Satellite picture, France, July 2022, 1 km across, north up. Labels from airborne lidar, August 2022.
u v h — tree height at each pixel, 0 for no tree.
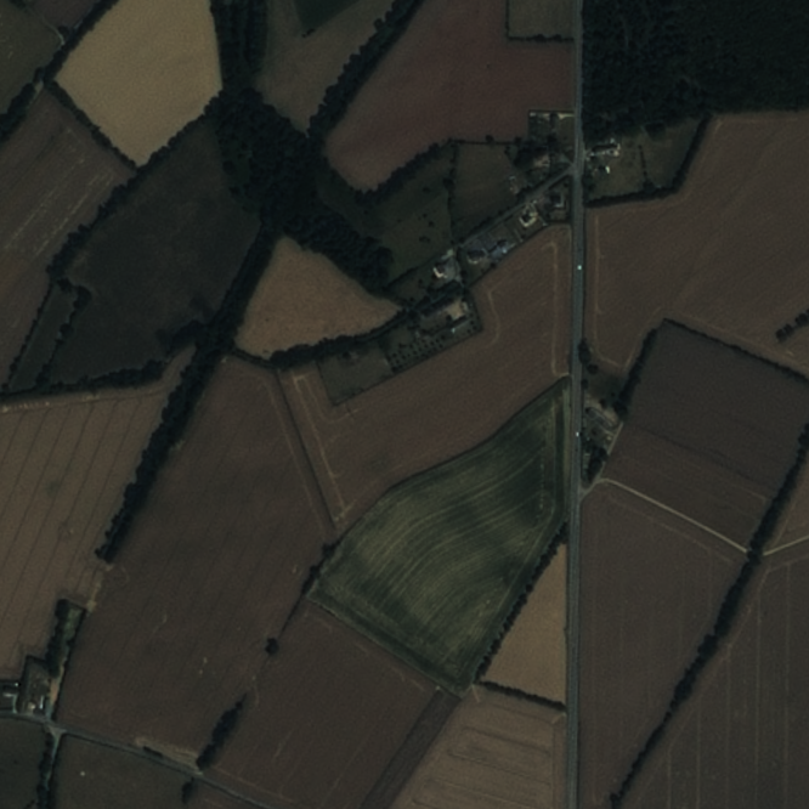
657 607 0
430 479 0
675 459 0
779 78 21
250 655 0
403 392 0
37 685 0
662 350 0
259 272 15
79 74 0
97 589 0
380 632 0
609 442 0
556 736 0
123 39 0
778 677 0
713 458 0
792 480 15
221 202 0
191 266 0
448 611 0
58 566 0
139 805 0
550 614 0
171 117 0
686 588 0
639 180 0
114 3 11
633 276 0
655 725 0
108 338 0
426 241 6
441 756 0
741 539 0
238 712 8
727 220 0
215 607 0
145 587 0
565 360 0
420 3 11
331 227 31
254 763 0
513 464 0
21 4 11
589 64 13
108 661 0
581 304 0
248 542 0
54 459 0
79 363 0
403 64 0
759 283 0
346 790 0
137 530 0
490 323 0
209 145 0
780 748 0
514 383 0
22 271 0
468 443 0
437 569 0
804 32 23
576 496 0
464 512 0
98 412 0
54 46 0
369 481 0
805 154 0
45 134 0
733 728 0
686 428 0
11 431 0
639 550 0
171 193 0
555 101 0
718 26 23
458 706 0
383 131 0
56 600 0
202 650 0
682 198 0
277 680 0
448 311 0
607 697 0
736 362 0
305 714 0
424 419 0
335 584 0
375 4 0
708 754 0
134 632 0
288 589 0
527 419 0
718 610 0
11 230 0
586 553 0
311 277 0
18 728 0
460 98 0
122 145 0
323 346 13
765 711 0
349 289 0
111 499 0
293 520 0
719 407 0
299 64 0
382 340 6
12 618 0
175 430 18
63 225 0
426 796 0
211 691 0
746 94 20
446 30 0
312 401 0
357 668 0
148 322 0
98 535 0
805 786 0
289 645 0
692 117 10
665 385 0
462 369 0
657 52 22
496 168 0
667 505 0
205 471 0
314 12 0
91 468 0
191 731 0
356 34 0
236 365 0
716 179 0
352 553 0
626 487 0
